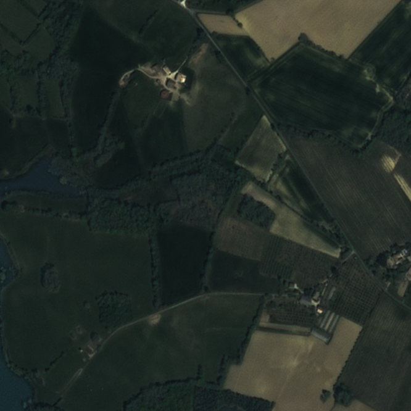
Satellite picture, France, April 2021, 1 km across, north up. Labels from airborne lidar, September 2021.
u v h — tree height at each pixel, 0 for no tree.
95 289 0
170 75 0
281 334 0
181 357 0
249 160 0
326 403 10
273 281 0
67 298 0
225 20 0
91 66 0
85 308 9
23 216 0
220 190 10
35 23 0
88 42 0
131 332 0
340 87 0
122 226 14
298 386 0
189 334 0
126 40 0
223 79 0
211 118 0
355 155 12
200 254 0
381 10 0
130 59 0
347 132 0
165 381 0
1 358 0
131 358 0
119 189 15
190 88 0
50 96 0
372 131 0
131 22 0
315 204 0
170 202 10
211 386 15
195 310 0
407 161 0
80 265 0
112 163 0
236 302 0
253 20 0
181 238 0
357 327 0
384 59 0
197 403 9
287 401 0
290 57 0
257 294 0
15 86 15
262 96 0
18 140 0
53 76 20
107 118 7
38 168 0
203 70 0
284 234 0
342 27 0
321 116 0
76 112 0
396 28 0
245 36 0
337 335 0
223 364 8
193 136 0
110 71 0
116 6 0
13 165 0
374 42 0
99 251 0
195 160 11
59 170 11
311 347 0
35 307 0
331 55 9
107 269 0
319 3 0
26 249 0
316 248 0
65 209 0
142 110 0
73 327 0
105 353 0
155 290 11
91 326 0
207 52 0
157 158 0
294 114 0
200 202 9
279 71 0
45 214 12
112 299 12
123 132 0
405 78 0
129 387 0
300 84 0
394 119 19
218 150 17
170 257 0
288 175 0
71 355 0
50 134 0
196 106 0
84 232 0
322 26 0
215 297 0
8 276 0
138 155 0
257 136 0
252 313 0
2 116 0
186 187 22
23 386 0
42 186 0
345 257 14
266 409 13
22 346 0
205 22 0
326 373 0
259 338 0
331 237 12
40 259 0
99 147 13
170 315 0
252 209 20
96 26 0
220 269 0
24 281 0
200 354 0
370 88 0
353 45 0
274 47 0
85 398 0
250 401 9
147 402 23
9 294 0
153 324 0
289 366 0
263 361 0
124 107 0
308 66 0
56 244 0
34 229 0
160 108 0
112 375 0
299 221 0
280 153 0
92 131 0
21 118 0
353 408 0
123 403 0
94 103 0
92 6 0
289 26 0
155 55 0
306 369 0
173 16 0
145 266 0
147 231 18
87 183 13
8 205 17
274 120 0
